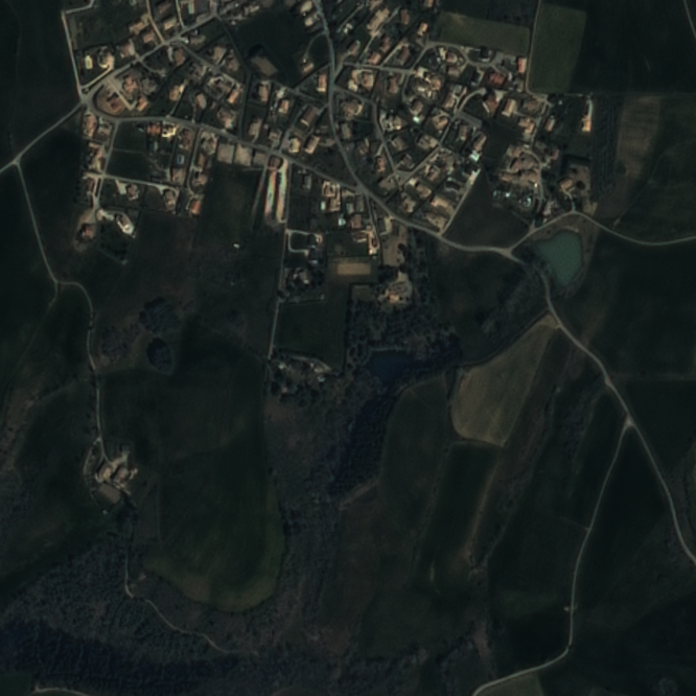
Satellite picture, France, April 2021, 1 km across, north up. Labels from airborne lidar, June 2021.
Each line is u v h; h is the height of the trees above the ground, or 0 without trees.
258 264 0
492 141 0
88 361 0
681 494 0
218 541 0
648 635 0
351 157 0
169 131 0
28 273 0
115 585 8
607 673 0
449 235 0
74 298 0
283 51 0
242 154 0
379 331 10
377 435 21
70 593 13
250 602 0
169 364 21
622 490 0
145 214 0
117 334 8
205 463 0
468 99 0
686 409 0
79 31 0
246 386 0
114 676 26
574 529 0
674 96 0
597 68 0
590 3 0
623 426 0
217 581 0
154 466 0
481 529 0
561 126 7
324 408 12
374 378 13
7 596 0
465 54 0
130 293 0
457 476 0
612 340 0
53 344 0
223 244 0
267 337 0
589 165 10
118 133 0
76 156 0
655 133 0
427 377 14
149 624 12
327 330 0
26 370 0
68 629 11
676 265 0
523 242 0
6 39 0
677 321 0
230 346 0
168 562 0
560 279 0
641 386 0
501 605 0
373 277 0
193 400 0
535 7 0
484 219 0
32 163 0
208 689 14
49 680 15
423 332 18
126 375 0
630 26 0
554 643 0
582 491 0
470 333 0
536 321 0
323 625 0
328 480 17
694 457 0
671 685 8
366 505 0
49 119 0
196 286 0
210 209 0
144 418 0
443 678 10
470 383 0
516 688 0
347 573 0
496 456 0
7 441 6
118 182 0
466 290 0
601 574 0
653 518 0
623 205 0
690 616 0
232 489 0
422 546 0
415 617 0
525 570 0
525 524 0
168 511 0
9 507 13
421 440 0
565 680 0
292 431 6
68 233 0
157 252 0
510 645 0
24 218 0
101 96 0
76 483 0
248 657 16
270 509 0
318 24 11
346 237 0
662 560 0
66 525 0
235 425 0
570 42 0
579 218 0
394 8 0
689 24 0
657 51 0
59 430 0
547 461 0
